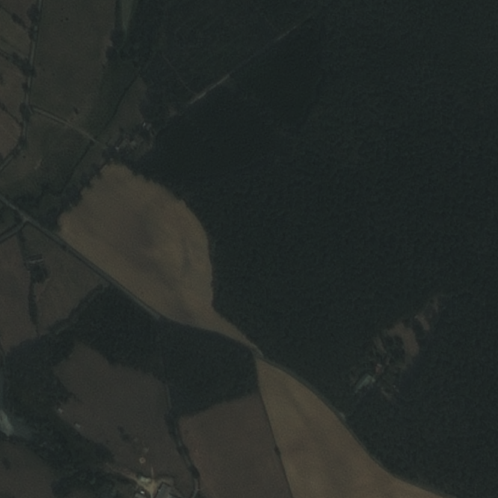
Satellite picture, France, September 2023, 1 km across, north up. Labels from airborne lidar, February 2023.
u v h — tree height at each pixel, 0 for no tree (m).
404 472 18
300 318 25
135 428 0
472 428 24
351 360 28
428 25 26
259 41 0
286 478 0
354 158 19
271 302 24
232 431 0
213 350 23
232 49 0
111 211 0
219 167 12
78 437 7
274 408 0
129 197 0
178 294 0
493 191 26
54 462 18
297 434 0
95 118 0
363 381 0
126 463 0
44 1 0
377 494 0
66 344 7
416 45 24
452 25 28
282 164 20
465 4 28
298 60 10
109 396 0
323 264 22
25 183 0
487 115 26
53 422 0
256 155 10
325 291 21
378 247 24
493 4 28
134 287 0
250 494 0
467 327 23
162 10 21
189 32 0
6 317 0
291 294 24
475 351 24
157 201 0
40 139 0
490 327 24
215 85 0
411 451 11
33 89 0
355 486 0
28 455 0
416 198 26
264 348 21
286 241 23
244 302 26
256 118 11
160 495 0
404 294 28
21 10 0
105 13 0
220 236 21
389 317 27
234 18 0
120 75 0
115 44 21
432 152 25
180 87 0
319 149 24
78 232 0
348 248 25
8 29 0
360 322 27
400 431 24
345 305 26
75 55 0
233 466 0
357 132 21
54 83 0
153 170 10
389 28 23
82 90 0
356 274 24
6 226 0
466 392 23
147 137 19
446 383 22
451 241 22
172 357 18
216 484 0
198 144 12
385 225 24
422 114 23
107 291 7
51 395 20
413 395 24
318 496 0
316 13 20
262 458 0
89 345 6
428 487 0
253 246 12
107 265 0
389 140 25
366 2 20
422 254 21
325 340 28
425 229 23
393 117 24
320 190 23
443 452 23
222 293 20
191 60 0
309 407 0
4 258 0
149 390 0
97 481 8
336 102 21
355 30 24
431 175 24
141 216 0
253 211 23
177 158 11
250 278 25
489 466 26
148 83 19
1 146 0
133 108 0
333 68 12
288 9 25
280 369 0
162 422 0
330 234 25
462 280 25
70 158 0
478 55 28
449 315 23
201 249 0
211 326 0
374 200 24
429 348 27
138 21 6
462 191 25
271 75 12
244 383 20
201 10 0
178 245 0
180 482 0
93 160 0
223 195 25
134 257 0
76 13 0
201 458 0
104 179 0
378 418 24
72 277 0
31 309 9
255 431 0
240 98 13
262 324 23
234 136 12
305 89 12
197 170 12
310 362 24
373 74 25
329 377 24
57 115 0
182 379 20
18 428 0
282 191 22
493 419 25
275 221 24
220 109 8
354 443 0
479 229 24
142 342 17
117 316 17
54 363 8
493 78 26
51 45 0
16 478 0
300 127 21
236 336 0
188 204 18
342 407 19
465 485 22
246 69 10
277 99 12
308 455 0
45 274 12
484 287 22
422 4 26
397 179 24
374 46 24
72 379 0
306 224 22
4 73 0
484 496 18
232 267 23
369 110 22
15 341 0
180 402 23
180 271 0
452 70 26
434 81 25
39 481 0
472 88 26
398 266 24
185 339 22
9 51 0
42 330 0
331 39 17
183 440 0
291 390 0
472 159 26
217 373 21
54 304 0
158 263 0
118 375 0
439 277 25
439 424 26
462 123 25
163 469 0
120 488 0
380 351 0
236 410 0
